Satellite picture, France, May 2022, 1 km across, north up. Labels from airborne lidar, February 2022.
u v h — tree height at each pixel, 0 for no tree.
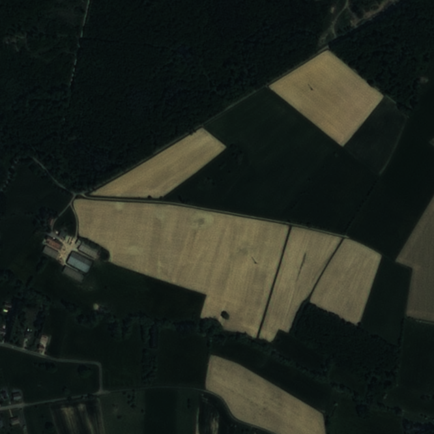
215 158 0
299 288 0
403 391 0
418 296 0
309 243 0
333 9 0
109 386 0
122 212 0
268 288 0
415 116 0
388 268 0
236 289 0
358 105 0
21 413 0
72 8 0
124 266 0
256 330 0
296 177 0
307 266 0
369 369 18
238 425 0
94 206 0
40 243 0
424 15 19
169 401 0
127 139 21
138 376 0
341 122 0
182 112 23
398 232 0
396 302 0
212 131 0
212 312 0
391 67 16
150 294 0
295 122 0
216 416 0
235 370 0
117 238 0
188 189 0
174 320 0
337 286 0
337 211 0
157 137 19
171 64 22
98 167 26
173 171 0
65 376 0
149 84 25
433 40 18
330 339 18
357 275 0
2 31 7
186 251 0
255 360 0
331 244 0
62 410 0
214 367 0
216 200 0
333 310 0
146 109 19
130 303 0
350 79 0
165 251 0
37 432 0
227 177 0
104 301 0
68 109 15
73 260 0
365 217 0
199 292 0
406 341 0
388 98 0
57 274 0
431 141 0
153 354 0
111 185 0
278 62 24
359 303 0
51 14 0
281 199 0
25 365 0
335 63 0
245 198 0
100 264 0
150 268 0
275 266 0
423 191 0
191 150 0
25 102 22
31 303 14
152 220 0
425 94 0
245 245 0
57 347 0
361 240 0
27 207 0
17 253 0
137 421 0
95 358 0
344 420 0
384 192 0
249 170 0
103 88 15
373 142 0
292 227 0
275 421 0
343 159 0
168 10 13
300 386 0
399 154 0
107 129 15
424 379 0
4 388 0
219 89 20
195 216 0
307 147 0
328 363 16
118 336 22
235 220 0
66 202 0
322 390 0
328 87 0
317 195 0
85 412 0
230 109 0
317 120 0
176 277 0
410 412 0
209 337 5
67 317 0
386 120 0
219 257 0
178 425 0
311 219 0
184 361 0
